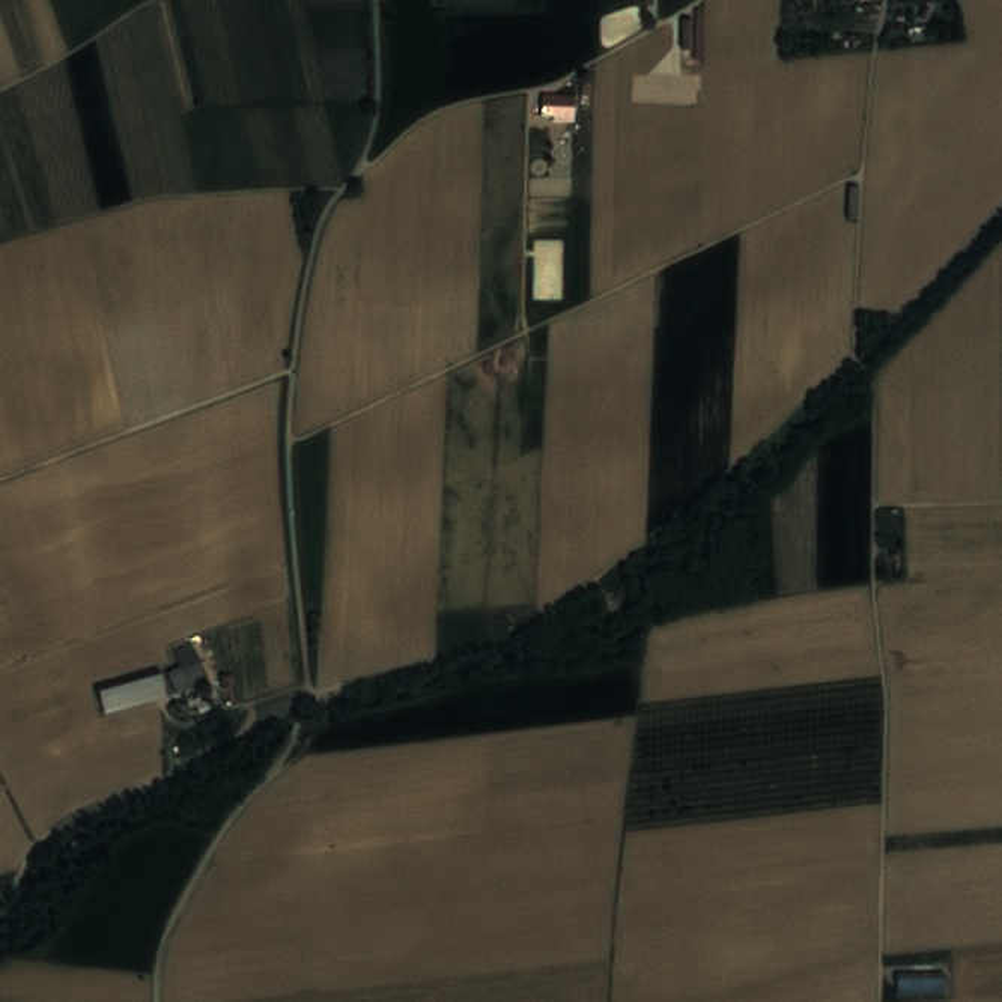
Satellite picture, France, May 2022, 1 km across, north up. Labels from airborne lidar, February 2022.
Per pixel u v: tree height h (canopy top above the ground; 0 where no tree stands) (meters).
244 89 0
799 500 0
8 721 0
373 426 0
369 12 0
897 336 19
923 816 0
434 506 0
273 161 0
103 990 0
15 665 0
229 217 0
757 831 0
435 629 0
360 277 0
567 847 0
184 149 0
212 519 0
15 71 0
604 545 0
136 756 0
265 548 0
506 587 0
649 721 0
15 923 17
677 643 0
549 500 0
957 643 0
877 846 0
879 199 0
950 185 0
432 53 0
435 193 0
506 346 0
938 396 0
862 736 0
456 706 0
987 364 0
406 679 22
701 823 0
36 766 0
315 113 0
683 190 0
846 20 0
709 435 0
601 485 0
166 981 0
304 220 9
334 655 0
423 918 0
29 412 0
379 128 0
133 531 0
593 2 0
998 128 0
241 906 0
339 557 0
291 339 0
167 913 0
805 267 0
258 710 0
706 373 0
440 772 0
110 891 0
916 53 0
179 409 0
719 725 0
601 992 0
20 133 0
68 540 0
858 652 0
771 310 0
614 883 0
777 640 0
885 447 0
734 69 0
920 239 0
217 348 0
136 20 0
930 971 0
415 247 0
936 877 0
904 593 0
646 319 0
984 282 0
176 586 0
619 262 0
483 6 0
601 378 0
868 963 0
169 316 0
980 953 0
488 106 0
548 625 13
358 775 0
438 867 0
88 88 0
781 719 0
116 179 0
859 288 0
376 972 0
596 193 0
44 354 0
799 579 0
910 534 0
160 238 0
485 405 0
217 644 0
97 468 0
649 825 0
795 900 0
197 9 0
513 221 0
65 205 0
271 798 0
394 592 0
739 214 0
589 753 0
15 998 0
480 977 0
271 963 0
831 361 0
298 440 0
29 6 0
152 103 0
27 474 0
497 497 0
